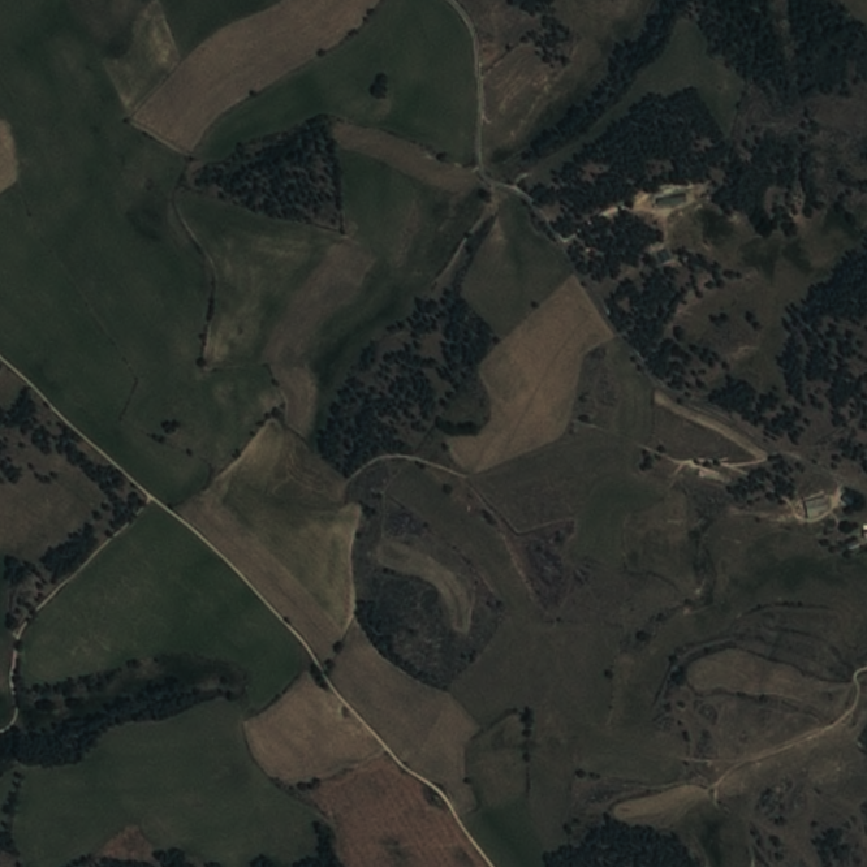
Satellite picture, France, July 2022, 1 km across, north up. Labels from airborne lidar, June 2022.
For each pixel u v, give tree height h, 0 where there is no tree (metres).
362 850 0
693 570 0
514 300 0
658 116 17
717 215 0
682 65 0
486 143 0
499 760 0
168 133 0
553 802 0
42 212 0
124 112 0
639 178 10
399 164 0
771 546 0
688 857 11
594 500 0
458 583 0
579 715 0
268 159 9
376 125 0
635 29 0
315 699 0
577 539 0
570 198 16
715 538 0
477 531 0
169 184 0
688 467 0
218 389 0
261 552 0
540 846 0
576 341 0
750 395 17
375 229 0
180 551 0
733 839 0
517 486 0
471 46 0
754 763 0
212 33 0
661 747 0
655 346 16
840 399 15
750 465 0
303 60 0
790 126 0
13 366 0
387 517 0
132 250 0
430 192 0
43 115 0
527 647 0
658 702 0
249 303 0
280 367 0
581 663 0
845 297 24
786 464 15
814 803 0
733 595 0
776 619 0
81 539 18
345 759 0
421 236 0
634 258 17
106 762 0
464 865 0
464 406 0
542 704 0
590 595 0
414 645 0
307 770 0
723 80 0
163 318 0
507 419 0
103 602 0
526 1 11
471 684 0
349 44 0
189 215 0
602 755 0
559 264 0
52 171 0
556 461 0
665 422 0
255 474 0
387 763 0
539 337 0
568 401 0
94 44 0
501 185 0
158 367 0
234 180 10
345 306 0
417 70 0
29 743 21
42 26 0
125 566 0
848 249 0
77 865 16
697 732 0
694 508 0
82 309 0
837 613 0
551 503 0
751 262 0
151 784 0
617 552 0
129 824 0
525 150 0
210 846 0
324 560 0
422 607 0
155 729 0
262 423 7
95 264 0
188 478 0
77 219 0
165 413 0
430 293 0
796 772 0
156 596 0
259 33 0
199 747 0
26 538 0
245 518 0
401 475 0
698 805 0
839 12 16
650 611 0
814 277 0
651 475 0
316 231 0
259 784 0
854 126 0
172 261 0
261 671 0
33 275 0
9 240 0
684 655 0
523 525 0
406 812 0
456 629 0
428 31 0
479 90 0
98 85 0
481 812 0
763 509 0
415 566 0
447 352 8
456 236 0
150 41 0
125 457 0
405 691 0
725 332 0
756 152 13
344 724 0
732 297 0
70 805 0
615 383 0
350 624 0
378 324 0
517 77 0
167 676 0
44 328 0
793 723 0
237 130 0
